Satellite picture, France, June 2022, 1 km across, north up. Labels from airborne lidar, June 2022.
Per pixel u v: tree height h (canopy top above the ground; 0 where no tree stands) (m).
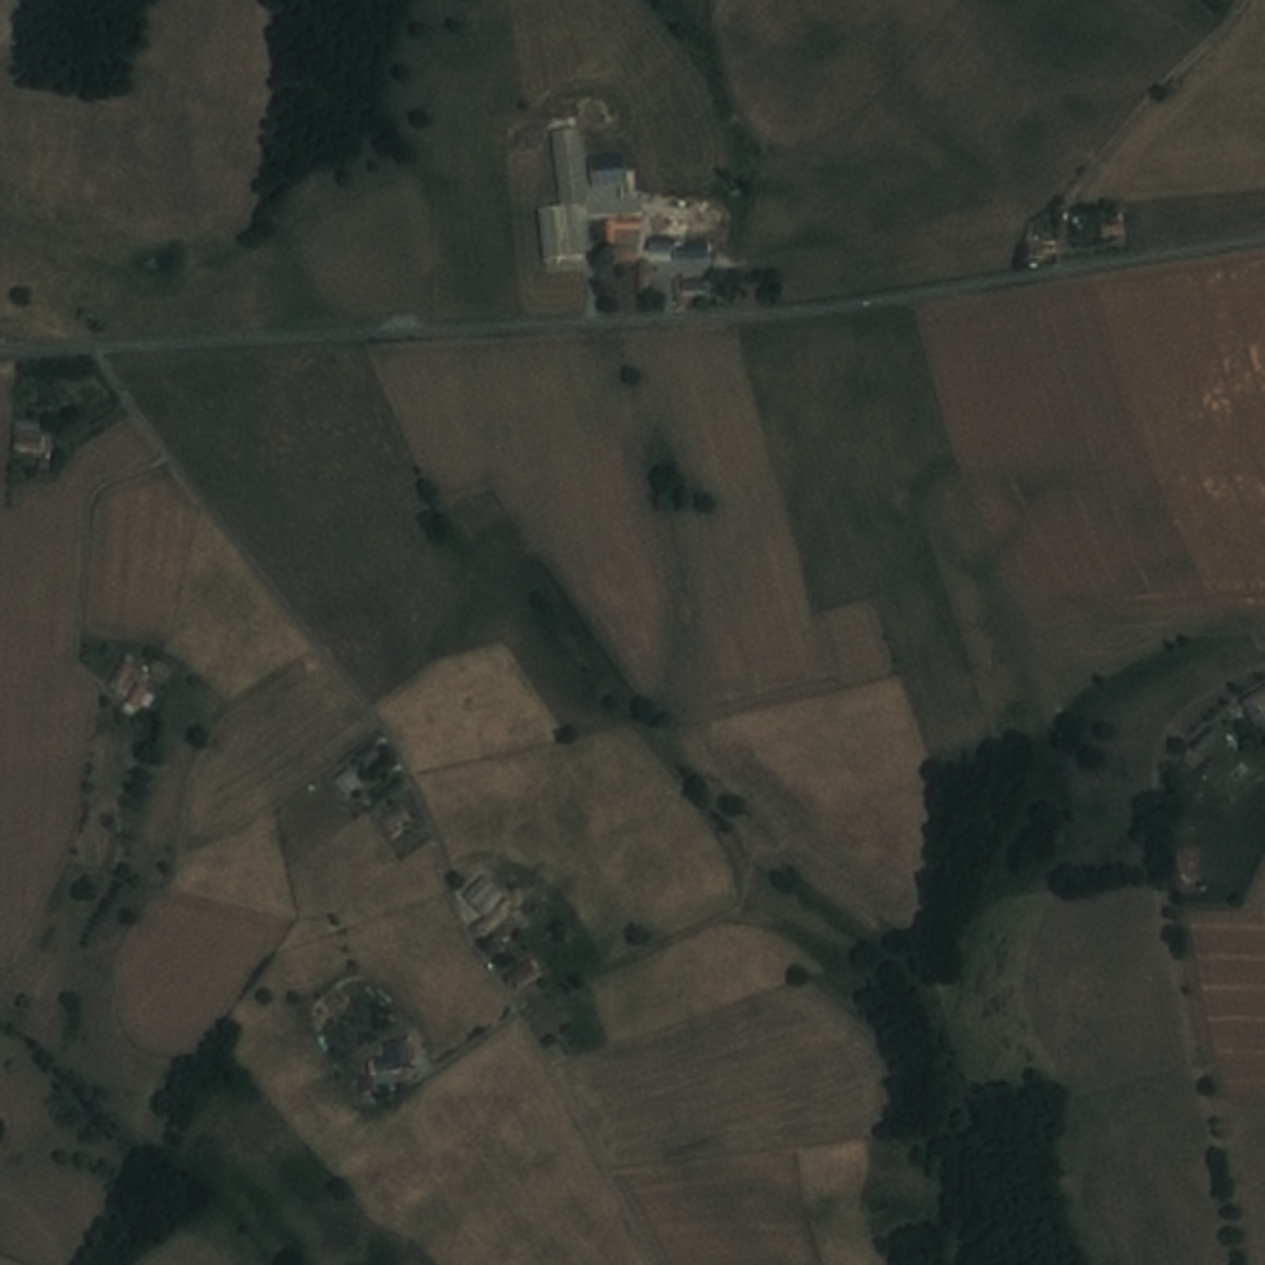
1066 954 0
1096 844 0
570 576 0
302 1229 0
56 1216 0
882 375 0
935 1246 28
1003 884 0
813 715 0
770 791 0
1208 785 0
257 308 0
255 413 0
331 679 0
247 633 0
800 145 0
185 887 0
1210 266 0
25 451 0
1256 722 0
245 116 0
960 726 0
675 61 0
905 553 0
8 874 0
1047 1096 23
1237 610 0
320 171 11
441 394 0
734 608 0
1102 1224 0
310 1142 0
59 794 0
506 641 0
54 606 0
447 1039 0
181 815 0
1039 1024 0
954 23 0
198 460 0
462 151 0
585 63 0
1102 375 0
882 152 0
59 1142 0
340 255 0
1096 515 0
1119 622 0
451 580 0
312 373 0
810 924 0
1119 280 0
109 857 0
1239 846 0
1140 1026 0
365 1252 0
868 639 0
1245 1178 0
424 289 0
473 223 0
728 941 0
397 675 0
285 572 0
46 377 11
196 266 0
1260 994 0
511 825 0
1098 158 0
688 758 0
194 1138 0
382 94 21
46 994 0
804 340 0
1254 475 0
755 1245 0
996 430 0
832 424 0
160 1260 0
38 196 0
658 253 0
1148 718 0
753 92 0
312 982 0
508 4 0
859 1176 0
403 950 0
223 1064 16
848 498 0
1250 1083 0
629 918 0
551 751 0
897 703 0
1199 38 0
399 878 0
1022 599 0
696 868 0
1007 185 0
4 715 0
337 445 0
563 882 0
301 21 20
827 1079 0
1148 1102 0
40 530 0
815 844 0
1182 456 0
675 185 0
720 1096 0
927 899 13
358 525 0
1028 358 0
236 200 0
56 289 0
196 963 0
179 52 0
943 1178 16
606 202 0
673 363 0
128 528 0
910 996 13
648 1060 0
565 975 0
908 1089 16
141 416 0
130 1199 15
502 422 0
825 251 0
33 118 0
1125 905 0
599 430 0
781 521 0
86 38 27
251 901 0
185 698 0
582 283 0
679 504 24
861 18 0
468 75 0
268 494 0
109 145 0
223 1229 0
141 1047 0
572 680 0
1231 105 0
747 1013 0
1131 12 0
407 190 0
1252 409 0
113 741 0
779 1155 0
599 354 0
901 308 0
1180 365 0
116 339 0
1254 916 0
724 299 11
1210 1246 0
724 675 0
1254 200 0
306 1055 0
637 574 0
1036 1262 24
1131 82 0
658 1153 0
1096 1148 0
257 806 0
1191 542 0
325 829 0
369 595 0
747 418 0
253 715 0
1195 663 0
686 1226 0
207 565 0
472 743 0
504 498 0
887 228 0
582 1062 0
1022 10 0
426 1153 0
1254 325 0
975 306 0
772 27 0
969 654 0
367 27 18
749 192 21
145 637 0
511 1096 0
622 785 0
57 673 0
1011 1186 21
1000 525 0
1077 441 0
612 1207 0
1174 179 0
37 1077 0
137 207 0
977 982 0
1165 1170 0
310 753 0
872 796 0
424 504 9
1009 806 17
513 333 0
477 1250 0
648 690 0
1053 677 0
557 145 0
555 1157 0
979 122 0
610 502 0
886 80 0
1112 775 0
